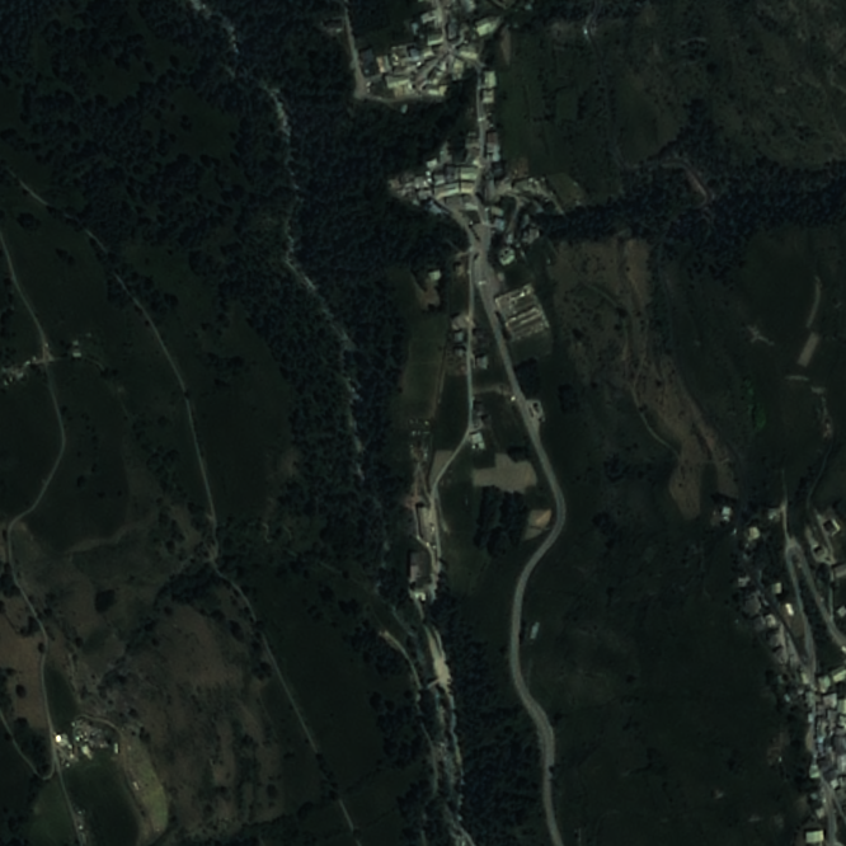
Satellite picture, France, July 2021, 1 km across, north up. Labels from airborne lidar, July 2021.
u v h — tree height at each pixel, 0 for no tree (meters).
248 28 15
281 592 0
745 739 0
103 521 0
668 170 10
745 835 0
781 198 31
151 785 0
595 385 7
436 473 0
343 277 21
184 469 0
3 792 0
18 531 0
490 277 0
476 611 0
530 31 13
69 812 0
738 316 0
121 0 19
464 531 0
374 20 19
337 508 24
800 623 0
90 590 0
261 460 0
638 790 0
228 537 6
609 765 0
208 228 20
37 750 12
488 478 0
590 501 0
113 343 0
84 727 0
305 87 21
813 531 0
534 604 0
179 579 13
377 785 0
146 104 28
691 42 8
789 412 0
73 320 0
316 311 12
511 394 0
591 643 0
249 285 19
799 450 0
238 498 0
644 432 0
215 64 33
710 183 7
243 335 0
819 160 0
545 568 0
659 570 0
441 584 12
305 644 0
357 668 0
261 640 17
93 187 24
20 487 0
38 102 31
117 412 0
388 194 9
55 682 0
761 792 0
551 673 0
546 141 0
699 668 0
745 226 29
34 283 0
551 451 0
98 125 24
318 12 18
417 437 0
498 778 26
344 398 10
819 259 0
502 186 0
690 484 0
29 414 0
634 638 0
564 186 0
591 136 0
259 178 29
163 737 0
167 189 24
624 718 0
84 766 0
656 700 0
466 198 0
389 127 13
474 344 0
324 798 6
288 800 0
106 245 6
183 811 0
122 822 0
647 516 0
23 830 6
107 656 0
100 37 27
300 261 18
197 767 0
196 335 8
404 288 0
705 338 0
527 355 0
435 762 0
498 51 0
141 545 0
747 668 0
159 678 0
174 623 0
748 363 0
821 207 10
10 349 9
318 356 31
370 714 0
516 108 0
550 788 0
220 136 0
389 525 12
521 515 21
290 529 5
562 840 0
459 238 10
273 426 0
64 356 6
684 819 0
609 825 0
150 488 0
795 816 0
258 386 0
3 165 12
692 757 0
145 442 10
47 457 0
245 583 6
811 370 0
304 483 7
